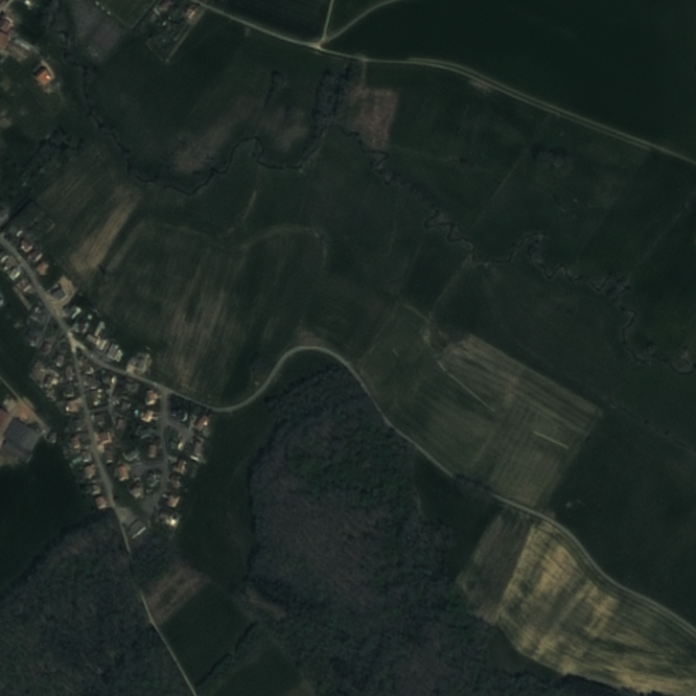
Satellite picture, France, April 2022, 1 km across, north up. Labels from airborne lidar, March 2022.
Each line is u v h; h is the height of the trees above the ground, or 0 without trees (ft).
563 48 0
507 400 0
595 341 0
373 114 0
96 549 82
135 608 98
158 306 0
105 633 97
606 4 0
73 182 0
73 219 0
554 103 0
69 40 43
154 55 0
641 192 0
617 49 0
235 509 0
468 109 0
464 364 0
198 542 0
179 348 0
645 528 0
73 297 0
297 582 87
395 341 0
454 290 0
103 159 0
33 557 0
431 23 0
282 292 0
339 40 0
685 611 0
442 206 0
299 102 0
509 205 0
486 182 0
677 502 0
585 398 0
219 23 0
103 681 79
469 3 0
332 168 0
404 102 0
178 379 0
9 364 0
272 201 0
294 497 85
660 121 0
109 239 0
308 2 0
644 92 0
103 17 0
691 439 0
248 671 0
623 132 0
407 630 106
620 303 46
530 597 0
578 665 0
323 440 87
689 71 0
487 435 0
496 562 0
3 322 0
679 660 0
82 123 0
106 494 0
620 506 0
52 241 0
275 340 0
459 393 0
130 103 0
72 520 0
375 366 0
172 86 0
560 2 0
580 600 0
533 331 0
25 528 0
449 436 0
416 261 0
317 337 0
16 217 32
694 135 0
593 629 0
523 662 0
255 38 0
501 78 0
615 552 0
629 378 0
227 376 0
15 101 0
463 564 0
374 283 0
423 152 0
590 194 0
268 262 0
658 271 0
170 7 27
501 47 0
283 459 92
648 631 0
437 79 0
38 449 0
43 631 97
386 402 0
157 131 0
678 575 0
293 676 0
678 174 0
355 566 107
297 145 0
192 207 0
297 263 0
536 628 0
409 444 52
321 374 34
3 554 0
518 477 0
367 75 0
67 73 0
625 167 0
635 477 0
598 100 0
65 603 96
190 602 0
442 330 0
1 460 0
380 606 95
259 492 72
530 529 0
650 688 0
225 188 0
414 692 96
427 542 94
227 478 0
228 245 0
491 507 0
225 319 0
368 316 0
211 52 0
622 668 0
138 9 0
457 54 0
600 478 0
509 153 0
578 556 0
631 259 0
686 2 0
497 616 0
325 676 34
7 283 0
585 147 0
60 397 0
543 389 0
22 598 78
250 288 0
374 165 36
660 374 0
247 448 0
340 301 0
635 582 0
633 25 0
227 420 0
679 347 0
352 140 0
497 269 0
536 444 0
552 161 96
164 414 0
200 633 0
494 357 0
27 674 76
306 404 32
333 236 0
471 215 0
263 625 94
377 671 98
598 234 0
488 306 0
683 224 0
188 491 0
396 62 0
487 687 85
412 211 0
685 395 0
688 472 0
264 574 94
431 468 0
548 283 0
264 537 90
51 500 0
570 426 0
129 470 0
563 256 0
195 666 0
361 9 0
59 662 83
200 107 0
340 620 90
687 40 0
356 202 0
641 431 0
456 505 0
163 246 0
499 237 0
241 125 0
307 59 0
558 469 0
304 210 0
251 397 0
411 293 0
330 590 88
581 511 0
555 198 0
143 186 0
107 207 0
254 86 0
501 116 0
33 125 0
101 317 0
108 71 0
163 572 88
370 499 60
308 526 95
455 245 0
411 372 0
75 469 0
